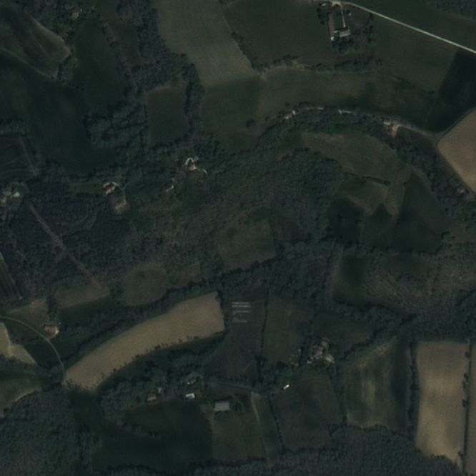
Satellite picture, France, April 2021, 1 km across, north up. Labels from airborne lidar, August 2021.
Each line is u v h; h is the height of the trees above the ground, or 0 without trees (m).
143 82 14
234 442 0
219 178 15
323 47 0
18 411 18
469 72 0
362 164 0
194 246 16
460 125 0
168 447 0
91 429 0
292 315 0
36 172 0
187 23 0
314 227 21
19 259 15
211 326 0
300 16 0
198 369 11
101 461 0
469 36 0
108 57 0
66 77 14
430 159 14
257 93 0
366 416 0
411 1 0
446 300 19
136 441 0
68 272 16
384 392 0
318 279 8
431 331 23
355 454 17
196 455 0
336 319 0
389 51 0
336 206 0
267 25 0
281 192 18
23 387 0
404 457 26
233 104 0
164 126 0
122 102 0
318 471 15
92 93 0
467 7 20
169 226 17
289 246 21
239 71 0
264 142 19
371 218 0
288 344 0
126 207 0
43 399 12
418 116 0
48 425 23
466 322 29
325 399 0
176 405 0
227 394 0
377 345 20
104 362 0
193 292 18
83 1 0
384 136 13
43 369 20
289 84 0
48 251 10
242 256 0
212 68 0
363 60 0
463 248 9
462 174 0
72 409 20
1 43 0
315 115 16
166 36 0
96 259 13
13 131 15
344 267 0
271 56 0
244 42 15
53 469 21
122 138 26
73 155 0
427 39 0
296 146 0
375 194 0
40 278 7
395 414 0
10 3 0
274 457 0
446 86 0
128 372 0
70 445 28
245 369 0
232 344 0
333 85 0
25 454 16
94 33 0
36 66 0
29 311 0
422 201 0
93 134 23
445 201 14
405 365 0
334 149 0
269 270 21
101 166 0
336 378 10
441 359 0
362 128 20
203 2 0
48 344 0
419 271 0
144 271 0
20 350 0
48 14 19
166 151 11
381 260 9
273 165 12
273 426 0
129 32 0
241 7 0
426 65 0
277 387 14
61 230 10
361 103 0
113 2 0
